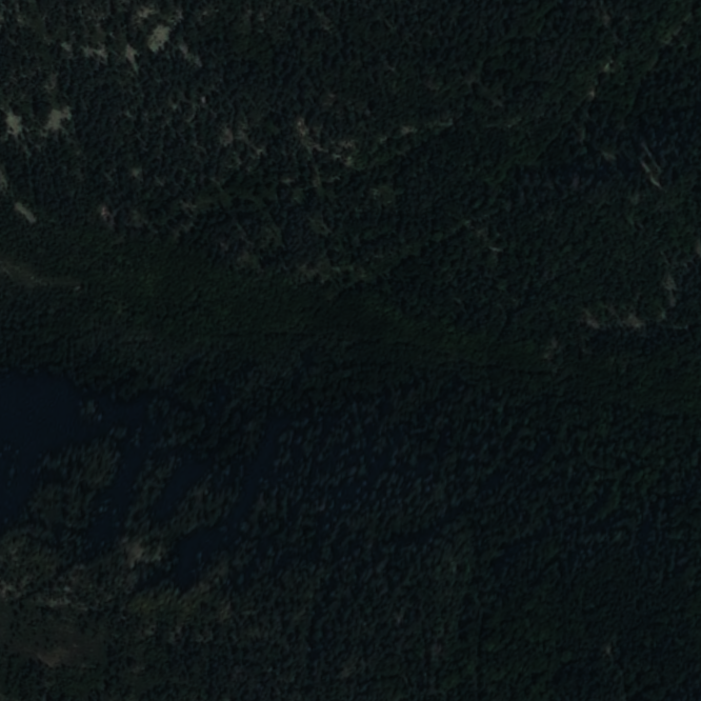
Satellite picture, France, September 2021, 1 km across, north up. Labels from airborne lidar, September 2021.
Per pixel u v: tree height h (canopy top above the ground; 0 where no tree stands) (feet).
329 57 56
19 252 32
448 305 110
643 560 68
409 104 37
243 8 42
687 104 71
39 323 24
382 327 44
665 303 76
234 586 35
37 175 67
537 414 53
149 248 33
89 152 86
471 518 61
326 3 36
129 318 30
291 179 117
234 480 28
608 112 67
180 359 21
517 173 26
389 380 72
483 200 52
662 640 50
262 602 21
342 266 54
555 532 100
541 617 55
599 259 73
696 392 43
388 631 98
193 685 31
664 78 37
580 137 112
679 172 71
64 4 50
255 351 40
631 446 73
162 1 54
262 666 19
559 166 45
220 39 28
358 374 56
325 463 54
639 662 53
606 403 36
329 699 25
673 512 87
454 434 77
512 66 55
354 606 26
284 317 37
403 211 62
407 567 23
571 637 57
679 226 66
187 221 96
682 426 65
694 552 88
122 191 74
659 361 54
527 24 77
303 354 21
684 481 29
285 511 49
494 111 19
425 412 47
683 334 20
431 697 32
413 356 36
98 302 31
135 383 59
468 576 36
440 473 44
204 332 37
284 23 45
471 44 92
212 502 37
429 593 47
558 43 78
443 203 77
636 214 49
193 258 45
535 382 41
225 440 23
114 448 36
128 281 35
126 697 24
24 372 33
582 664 69
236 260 110
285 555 50
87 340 23
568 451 51
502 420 31
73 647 0
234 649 36
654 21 46
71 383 41
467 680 39
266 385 23
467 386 33
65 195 81
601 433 71
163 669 33
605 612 73
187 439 42
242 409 41
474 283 51
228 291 39
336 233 74
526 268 107
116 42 24
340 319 38
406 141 48
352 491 36
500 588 34
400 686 60
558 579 61
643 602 54
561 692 50
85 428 46
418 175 30
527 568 44
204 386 38
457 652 56
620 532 40
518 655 84
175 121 99
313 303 32
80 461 29
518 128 46
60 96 24
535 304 89
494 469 51
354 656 75
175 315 27
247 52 25
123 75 29
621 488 31
